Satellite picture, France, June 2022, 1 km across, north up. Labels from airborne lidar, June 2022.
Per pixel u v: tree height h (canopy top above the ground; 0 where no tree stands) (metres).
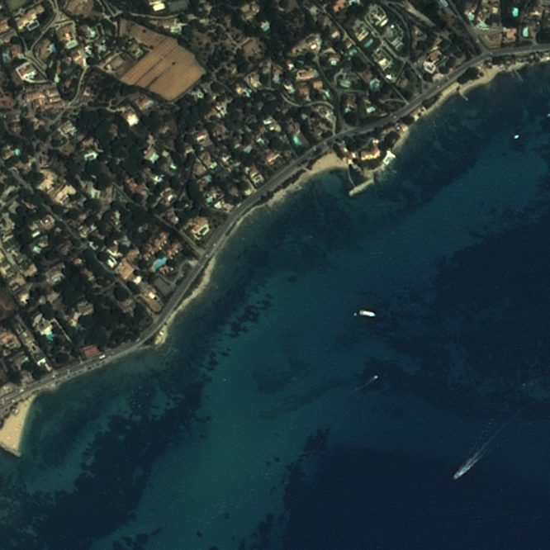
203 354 0
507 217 0
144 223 16
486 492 0
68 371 0
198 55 6
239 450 0
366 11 8
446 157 0
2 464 0
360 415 0
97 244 16
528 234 0
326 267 0
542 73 0
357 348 0
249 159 11
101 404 0
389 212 0
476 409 0
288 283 0
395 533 0
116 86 8
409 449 0
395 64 0
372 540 0
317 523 0
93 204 15
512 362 0
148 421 0
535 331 0
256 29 7
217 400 0
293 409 0
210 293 0
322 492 0
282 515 0
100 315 15
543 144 0
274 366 0
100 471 0
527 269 0
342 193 0
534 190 0
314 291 0
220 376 0
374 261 0
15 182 7
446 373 0
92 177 11
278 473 0
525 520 0
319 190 0
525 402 0
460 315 0
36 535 0
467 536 0
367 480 0
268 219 0
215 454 0
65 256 6
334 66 0
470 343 0
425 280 0
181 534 0
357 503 0
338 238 0
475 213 0
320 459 0
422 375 0
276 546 0
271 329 0
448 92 0
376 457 0
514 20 10
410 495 0
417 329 0
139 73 0
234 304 0
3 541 0
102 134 17
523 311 0
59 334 13
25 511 0
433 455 0
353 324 0
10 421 0
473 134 0
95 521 0
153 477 0
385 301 0
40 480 0
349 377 0
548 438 0
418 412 0
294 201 0
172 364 0
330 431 0
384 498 0
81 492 0
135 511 0
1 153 9
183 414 0
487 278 0
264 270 0
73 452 0
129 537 0
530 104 0
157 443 0
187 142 15
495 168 0
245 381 0
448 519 0
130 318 13
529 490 0
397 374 0
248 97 10
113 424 0
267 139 10
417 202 0
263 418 0
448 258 0
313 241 0
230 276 0
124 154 16
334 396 0
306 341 0
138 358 0
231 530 0
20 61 6
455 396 0
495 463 0
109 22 6
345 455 0
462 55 9
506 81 0
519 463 0
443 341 0
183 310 0
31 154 6
